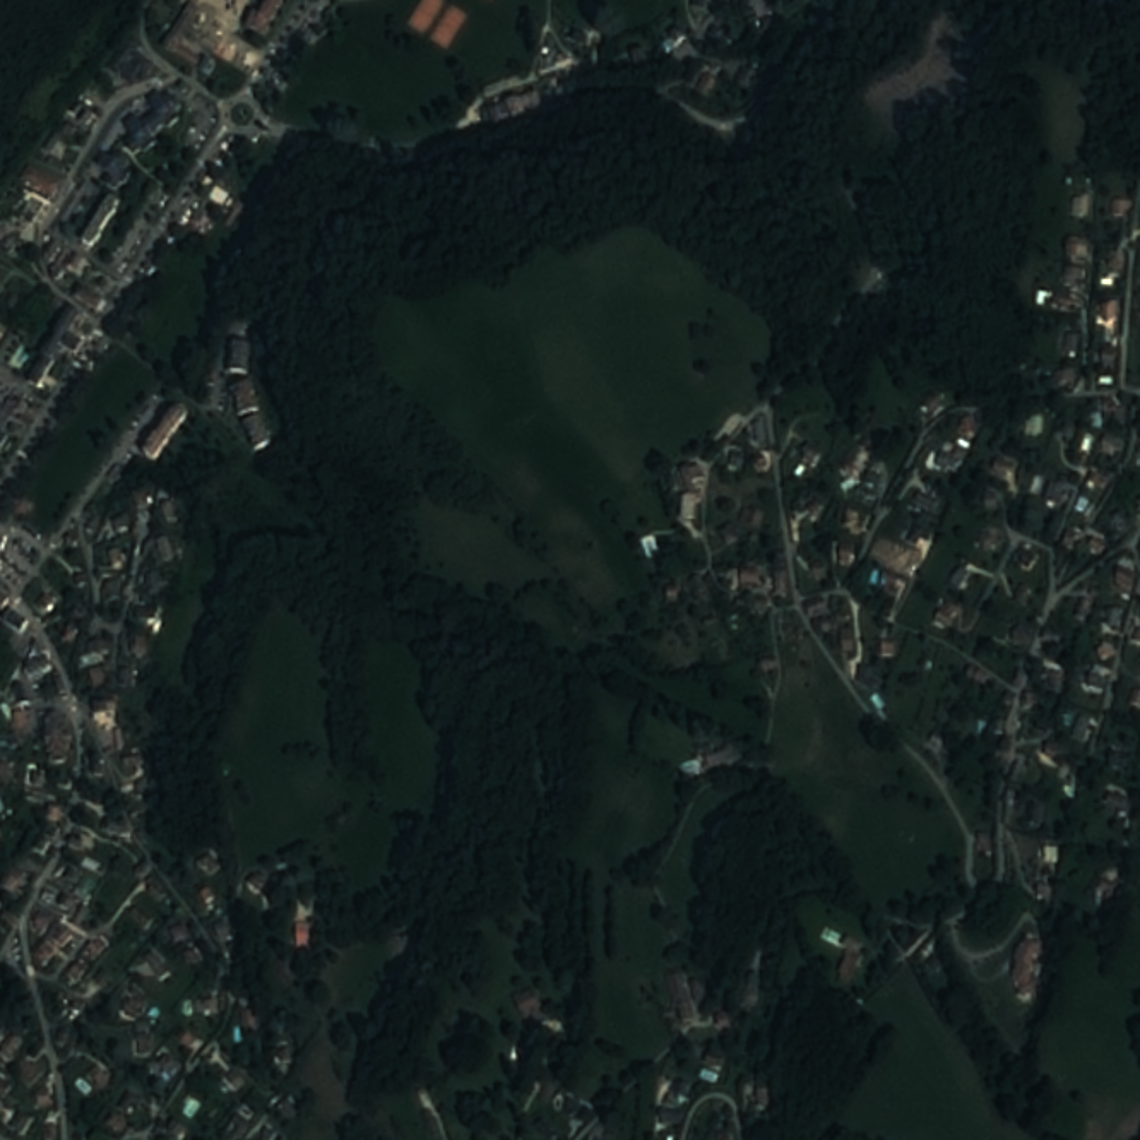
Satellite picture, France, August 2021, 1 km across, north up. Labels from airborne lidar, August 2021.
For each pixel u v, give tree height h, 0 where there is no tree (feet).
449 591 67
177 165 45
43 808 30
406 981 98
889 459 51
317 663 0
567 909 46
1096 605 19
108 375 0
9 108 59
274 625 0
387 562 69
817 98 83
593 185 73
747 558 25
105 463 0
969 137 75
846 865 97
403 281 87
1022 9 57
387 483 24
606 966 0
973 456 31
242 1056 45
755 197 95
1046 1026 53
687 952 40
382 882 0
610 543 0
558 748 65
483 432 0
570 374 0
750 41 40
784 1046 63
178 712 57
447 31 0
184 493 27
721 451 46
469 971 59
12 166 51
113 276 0
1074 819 40
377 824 0
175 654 0
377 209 81
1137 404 33
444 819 33
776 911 54
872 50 61
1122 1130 0
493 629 80
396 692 0
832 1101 69
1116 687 31
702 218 86
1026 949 0
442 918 88
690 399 0
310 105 0
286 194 111
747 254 78
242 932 72
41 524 0
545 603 0
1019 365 74
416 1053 79
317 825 0
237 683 65
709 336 27
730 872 93
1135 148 66
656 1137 29
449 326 0
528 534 38
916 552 0
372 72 0
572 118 101
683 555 58
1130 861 73
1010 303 24
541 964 50
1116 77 44
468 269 70
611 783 0
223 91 44
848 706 0
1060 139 0
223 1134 23
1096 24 95
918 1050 0
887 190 78
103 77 32
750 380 0
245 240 36
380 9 0
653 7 0
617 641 33
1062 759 31
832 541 21
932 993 21
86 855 0
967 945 0
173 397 34
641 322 0
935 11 58
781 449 33
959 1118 0
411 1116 0
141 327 53
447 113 79
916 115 83
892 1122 0
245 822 0
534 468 0
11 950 0
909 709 0
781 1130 63
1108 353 0
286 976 0
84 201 20
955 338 78
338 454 48
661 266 0
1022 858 0
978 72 97
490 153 63
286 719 0
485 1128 83
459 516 0
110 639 29
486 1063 69
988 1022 24
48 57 59
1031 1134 69
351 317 43
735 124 0
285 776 0
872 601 23
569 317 0
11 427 27
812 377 40
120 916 0
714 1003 42
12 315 27
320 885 30
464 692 55
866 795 0
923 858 0
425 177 104
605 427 0
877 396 0
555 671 92
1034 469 20
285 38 30
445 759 20
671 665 23
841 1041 87
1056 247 0
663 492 19
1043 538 30
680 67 61
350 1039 78
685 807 32
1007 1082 58
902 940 58
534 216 72
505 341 0
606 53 32
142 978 31
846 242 98
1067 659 58
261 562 77
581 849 0
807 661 24
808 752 0
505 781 47
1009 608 0
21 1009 80
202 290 0
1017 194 64
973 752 50
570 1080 75
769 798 72
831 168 73
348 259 89
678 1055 36
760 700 42
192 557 0
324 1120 0
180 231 54
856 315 41
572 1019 78
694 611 29
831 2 90
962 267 90
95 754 48
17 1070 28
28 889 29
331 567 93
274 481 80
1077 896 0
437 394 0
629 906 0
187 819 72
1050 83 0
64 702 0
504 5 0
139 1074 54
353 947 22
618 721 0
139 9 71
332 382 44
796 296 88
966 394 51
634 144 70
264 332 21
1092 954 0
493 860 88
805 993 72
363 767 62
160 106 0
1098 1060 0
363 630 82
